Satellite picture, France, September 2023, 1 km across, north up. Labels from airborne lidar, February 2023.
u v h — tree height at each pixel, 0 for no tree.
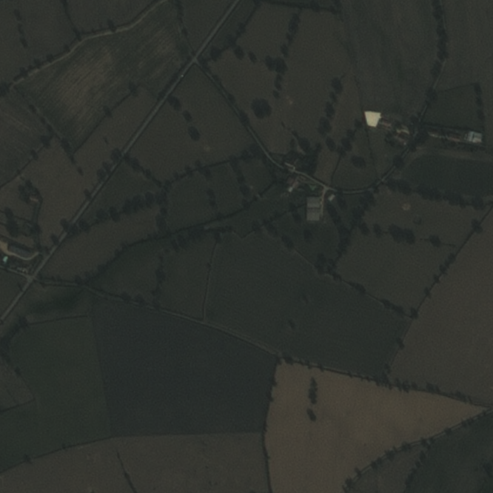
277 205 0
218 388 0
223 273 0
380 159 0
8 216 12
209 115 0
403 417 0
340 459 0
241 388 0
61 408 0
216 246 0
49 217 0
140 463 0
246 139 0
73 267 0
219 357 0
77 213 0
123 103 0
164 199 17
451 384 0
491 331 0
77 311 0
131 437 0
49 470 0
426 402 0
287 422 0
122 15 0
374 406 0
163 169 0
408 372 0
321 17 0
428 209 0
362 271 0
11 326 0
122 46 0
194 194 0
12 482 0
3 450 0
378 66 0
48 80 0
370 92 0
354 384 0
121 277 0
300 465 0
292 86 0
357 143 0
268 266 0
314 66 0
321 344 0
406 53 0
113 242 0
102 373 0
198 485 0
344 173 0
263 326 0
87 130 0
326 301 0
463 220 0
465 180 0
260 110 24
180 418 0
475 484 0
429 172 0
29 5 0
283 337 0
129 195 0
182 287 0
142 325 0
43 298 0
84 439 0
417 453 0
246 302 0
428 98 13
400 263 0
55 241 16
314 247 0
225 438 0
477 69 0
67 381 0
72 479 0
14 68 0
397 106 0
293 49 0
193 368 0
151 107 0
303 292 0
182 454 0
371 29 0
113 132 0
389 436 0
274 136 0
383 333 0
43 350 0
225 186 0
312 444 0
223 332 0
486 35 0
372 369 0
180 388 0
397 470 0
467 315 0
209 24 0
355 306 0
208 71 11
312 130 0
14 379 0
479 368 0
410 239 15
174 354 0
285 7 0
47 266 0
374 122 0
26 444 0
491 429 0
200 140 0
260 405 0
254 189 0
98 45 0
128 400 0
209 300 0
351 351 0
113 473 0
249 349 0
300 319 0
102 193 0
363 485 0
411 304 0
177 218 0
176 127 0
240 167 14
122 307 0
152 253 0
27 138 0
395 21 0
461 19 0
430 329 0
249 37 0
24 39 11
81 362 0
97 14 0
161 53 0
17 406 0
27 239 0
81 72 0
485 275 0
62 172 0
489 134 0
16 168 0
